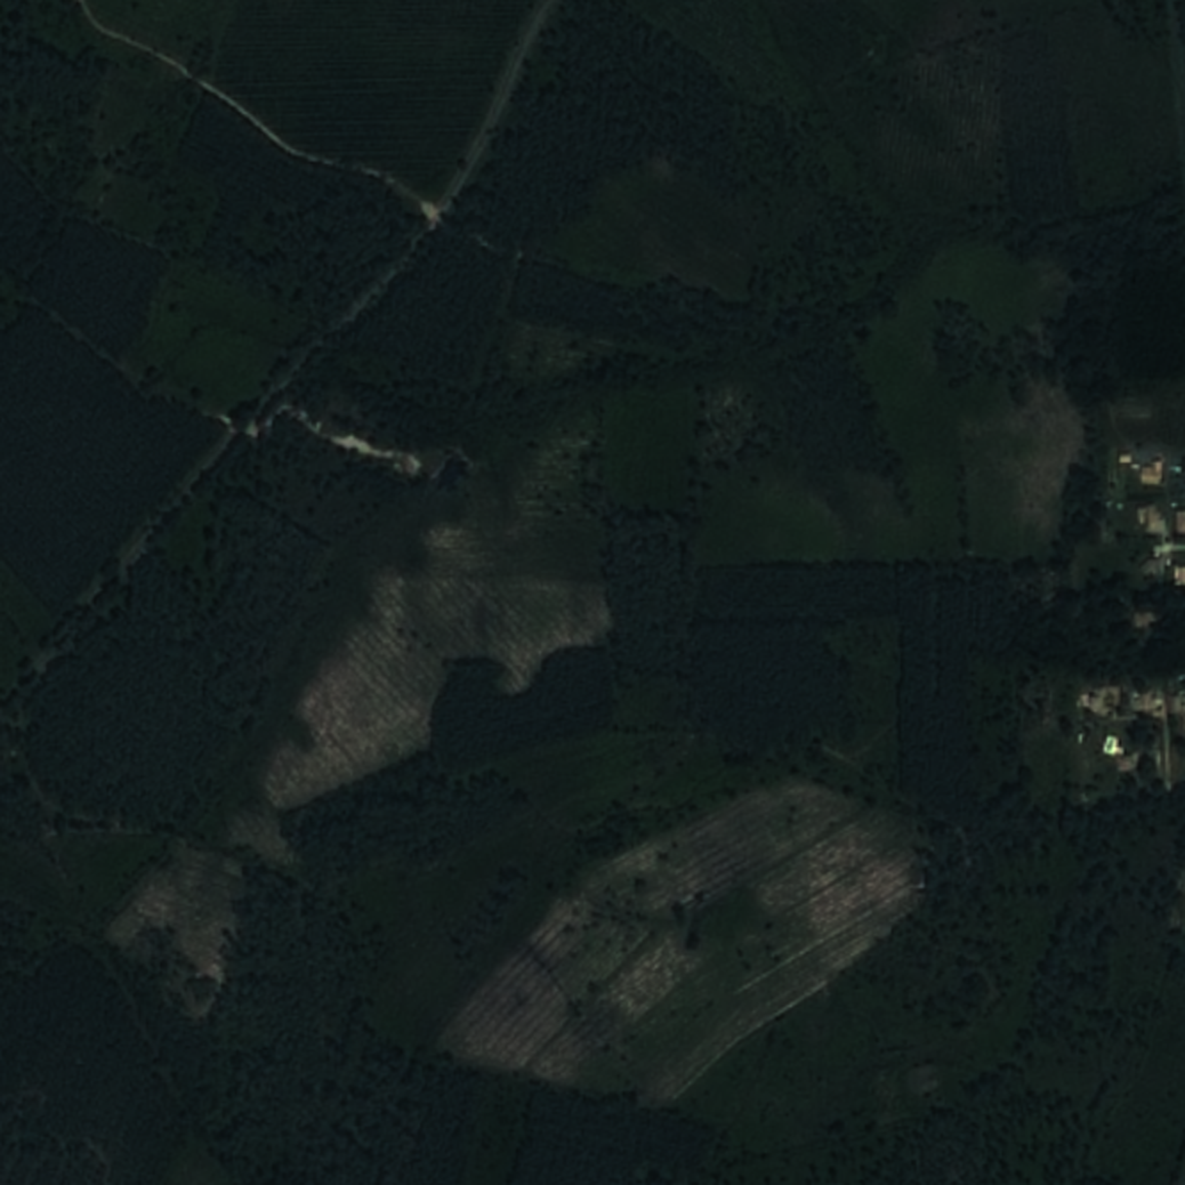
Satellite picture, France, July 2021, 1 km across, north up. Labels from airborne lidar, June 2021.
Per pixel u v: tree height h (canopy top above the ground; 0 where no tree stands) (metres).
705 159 16
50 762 17
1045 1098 9
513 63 0
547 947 0
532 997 0
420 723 0
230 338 0
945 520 0
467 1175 15
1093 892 17
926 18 0
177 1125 11
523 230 17
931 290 0
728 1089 0
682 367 7
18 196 11
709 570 6
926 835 11
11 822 23
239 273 20
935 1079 0
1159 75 0
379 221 22
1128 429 0
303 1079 23
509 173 17
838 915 0
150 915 0
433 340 12
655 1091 0
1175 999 0
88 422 12
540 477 0
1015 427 0
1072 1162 13
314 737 0
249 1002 25
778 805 0
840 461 9
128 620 16
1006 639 19
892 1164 13
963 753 14
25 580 11
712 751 0
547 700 11
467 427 6
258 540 16
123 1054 14
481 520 0
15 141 8
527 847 0
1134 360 16
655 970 0
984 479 0
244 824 0
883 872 0
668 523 21
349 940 25
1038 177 11
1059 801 0
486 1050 0
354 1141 22
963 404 0
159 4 0
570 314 9
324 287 20
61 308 11
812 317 7
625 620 24
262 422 10
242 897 0
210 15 0
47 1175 14
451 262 16
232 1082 9
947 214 0
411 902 0
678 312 11
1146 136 0
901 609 14
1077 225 16
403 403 12
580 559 0
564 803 0
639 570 26
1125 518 0
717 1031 0
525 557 0
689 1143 14
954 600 15
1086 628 11
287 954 27
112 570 12
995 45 6
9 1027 11
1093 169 0
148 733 17
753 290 11
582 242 0
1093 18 0
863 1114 6
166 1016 8
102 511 11
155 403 12
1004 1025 0
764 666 18
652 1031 0
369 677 0
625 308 11
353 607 0
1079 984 23
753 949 0
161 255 12
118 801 13
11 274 11
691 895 0
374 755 0
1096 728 6
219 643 14
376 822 25
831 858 0
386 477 16
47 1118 11
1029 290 0
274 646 13
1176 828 6
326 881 28
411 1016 0
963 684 16
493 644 0
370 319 16
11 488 11
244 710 16
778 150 7
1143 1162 0
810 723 17
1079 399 20
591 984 6
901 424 0
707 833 0
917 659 15
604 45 16
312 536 20
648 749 0
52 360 12
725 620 16
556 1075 0
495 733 12
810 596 12
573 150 17
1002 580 16
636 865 0
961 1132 14
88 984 12
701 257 0
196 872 0
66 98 16
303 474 9
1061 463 0
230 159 11
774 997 0
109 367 12
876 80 7
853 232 8
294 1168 13
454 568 0
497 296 16
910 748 12
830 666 18
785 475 0
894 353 0
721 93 18
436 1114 19
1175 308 16
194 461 12
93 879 0
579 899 0
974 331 16
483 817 26
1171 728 7
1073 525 14
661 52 17
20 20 20
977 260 0
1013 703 13
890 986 6
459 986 0
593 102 15
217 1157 10
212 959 0
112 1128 12
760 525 0
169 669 18
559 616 0
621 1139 14
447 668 10
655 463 0
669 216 0
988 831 19
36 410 11
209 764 20
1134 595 8
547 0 0
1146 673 15
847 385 13
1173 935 10
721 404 0
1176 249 22
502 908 20
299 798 0
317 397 11
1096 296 23
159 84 0
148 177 9
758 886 0
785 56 0
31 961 9
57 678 19
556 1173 15
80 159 9
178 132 0
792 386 9
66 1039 13
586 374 6
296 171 9
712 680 20
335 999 24
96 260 11
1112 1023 13
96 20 0
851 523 0
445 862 24
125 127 0
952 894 18
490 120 0
